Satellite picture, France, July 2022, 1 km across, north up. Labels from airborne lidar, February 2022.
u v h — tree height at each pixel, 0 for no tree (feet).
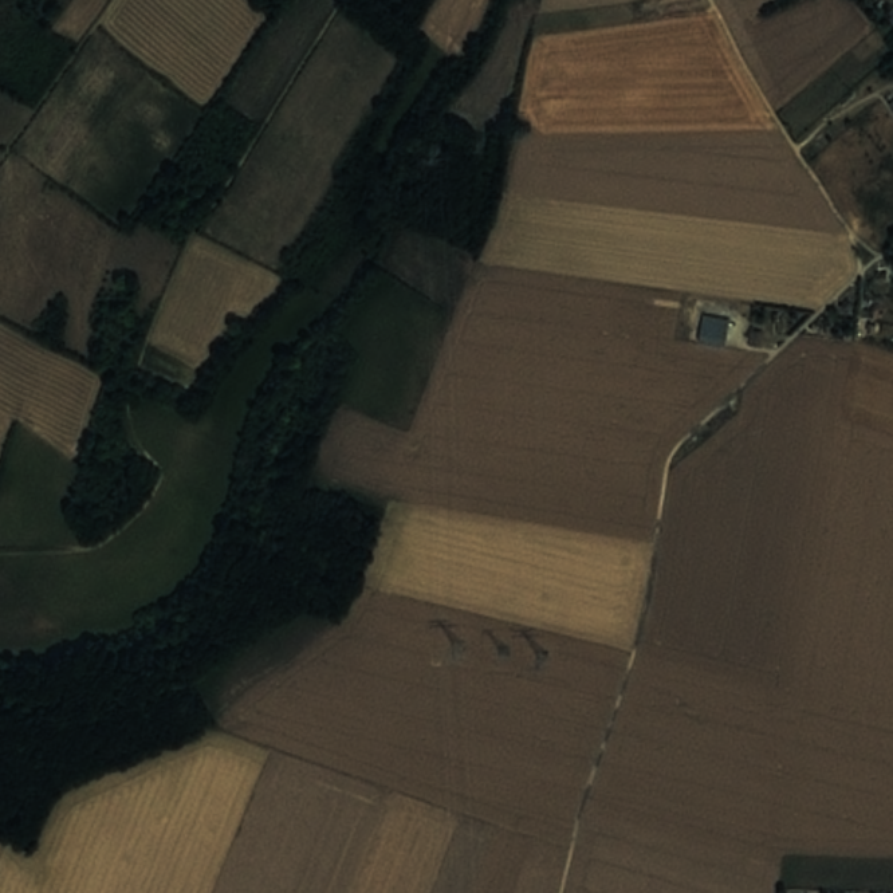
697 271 0
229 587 82
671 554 0
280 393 60
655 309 0
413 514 0
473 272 0
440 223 47
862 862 0
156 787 0
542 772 0
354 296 46
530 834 0
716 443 0
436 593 0
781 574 0
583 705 0
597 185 0
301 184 0
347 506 71
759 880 0
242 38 0
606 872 0
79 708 86
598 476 0
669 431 0
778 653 0
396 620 0
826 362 0
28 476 0
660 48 0
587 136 0
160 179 29
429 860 0
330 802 0
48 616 0
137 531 0
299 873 0
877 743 0
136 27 0
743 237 0
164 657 77
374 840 0
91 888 0
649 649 0
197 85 0
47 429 0
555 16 0
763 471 0
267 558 74
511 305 0
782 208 0
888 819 0
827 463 0
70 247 0
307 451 65
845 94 0
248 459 52
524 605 0
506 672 0
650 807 0
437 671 0
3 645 0
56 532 0
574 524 0
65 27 0
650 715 0
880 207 0
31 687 78
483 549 0
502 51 0
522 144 0
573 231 0
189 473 0
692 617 0
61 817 0
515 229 0
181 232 23
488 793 0
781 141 0
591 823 0
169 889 0
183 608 58
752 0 0
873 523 0
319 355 51
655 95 0
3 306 0
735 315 0
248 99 0
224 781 0
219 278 0
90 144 0
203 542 0
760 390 0
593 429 0
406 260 0
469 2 0
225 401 0
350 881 0
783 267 0
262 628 60
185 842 0
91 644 67
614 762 0
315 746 0
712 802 0
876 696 0
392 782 0
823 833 0
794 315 36
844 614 0
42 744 54
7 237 0
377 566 0
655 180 0
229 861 0
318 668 0
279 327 0
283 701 0
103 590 0
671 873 0
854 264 0
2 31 0
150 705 72
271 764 0
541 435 0
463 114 0
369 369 0
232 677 0
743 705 0
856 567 0
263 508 48
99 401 20
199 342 0
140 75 0
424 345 0
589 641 0
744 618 0
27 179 0
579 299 0
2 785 79
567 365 0
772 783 0
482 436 0
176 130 0
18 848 52
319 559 81
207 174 29
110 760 64
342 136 0
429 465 0
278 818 0
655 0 0
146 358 0
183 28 0
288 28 0
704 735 0
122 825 0
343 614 52
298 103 0
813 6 0
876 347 0
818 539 0
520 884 0
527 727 0
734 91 0
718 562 0
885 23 37
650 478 0
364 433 0
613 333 0
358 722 0
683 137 0
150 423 0
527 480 0
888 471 0
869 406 0
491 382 0
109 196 0
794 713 0
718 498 0
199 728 54
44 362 0
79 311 0
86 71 0
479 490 0
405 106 0
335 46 0
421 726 0
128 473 48
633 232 0
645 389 0
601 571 0
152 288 0
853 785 0
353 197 24
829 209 0
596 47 0
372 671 0
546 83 0
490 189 23
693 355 0
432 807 0
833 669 0
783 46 0
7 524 0
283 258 28
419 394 0
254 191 0
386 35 69
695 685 0
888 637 0
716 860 0
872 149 0
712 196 0
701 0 0
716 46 0
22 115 0
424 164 63
